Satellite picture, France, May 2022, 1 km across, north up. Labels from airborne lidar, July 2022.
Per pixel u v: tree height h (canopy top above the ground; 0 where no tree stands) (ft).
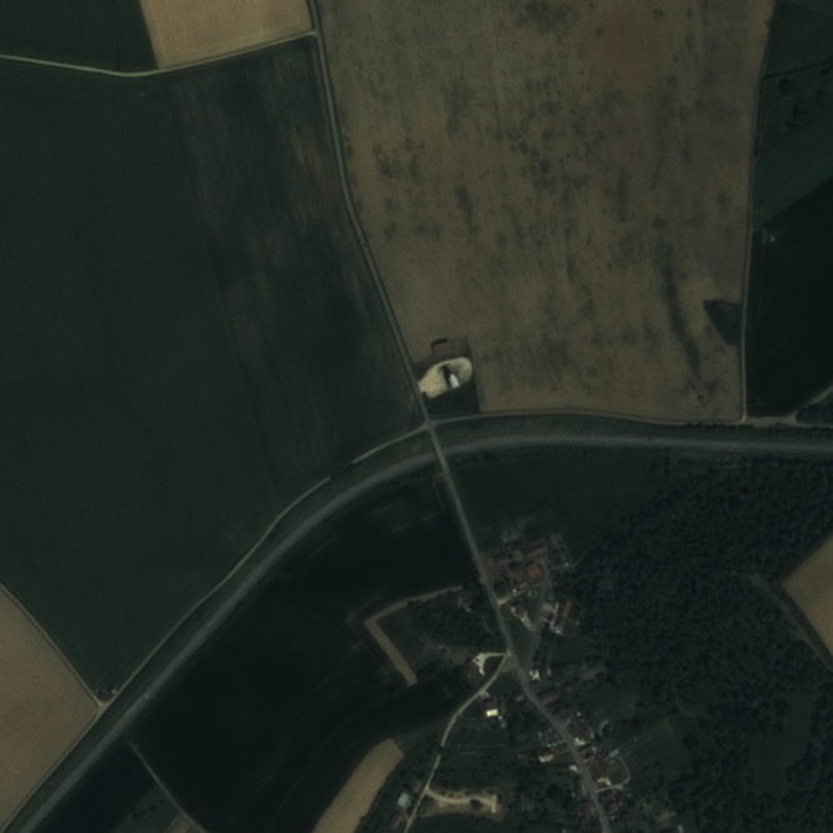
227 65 0
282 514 0
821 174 0
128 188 0
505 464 0
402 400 0
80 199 0
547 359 0
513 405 0
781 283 0
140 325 0
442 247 0
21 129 0
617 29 0
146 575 0
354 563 0
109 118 0
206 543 0
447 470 0
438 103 0
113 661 0
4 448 0
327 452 0
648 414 0
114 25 0
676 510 85
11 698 0
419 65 0
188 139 0
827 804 79
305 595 0
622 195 0
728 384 0
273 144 0
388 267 0
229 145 0
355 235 0
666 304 0
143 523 0
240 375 0
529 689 0
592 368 0
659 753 0
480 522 0
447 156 0
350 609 0
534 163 0
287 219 0
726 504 56
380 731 0
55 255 0
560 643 31
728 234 0
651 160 0
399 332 0
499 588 39
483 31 0
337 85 0
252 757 0
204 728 0
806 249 0
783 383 0
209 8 0
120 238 0
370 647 0
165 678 0
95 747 0
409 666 0
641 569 85
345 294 0
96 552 0
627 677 102
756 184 0
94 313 0
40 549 0
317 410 0
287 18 0
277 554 0
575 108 0
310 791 0
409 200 0
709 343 0
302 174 0
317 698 0
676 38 0
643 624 81
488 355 0
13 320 0
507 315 0
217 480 0
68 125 0
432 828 0
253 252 0
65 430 0
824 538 45
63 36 0
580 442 0
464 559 0
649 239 0
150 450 0
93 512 0
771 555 63
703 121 0
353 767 0
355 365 0
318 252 0
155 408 0
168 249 0
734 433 24
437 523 0
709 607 77
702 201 0
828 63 22
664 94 0
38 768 0
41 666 0
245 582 0
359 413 0
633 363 0
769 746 0
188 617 0
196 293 0
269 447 0
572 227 0
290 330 0
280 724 0
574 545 0
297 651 0
